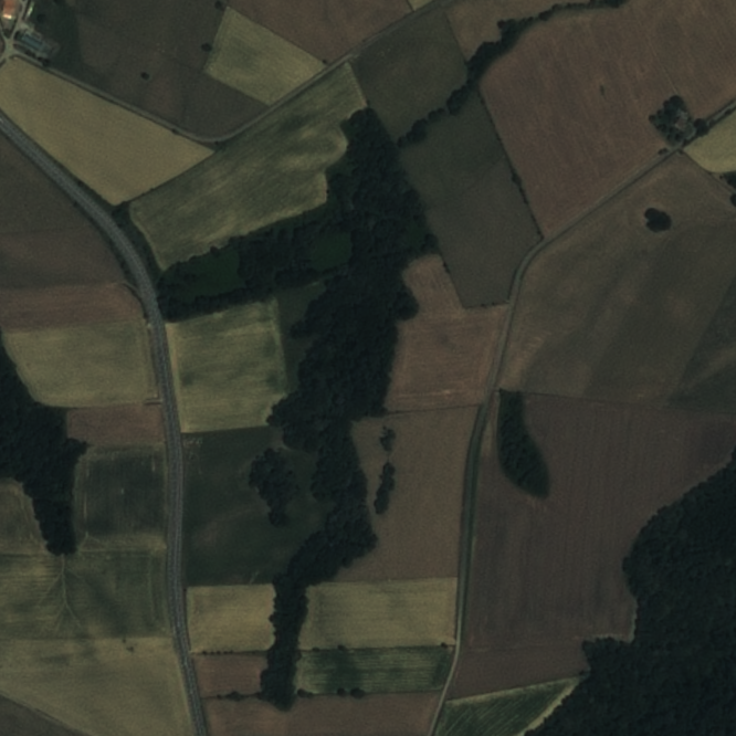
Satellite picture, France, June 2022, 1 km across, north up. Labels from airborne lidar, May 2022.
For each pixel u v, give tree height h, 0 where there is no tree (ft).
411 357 0
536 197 0
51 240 0
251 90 0
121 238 0
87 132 0
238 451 0
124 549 0
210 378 0
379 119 32
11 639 0
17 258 0
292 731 0
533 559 0
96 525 0
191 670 0
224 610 0
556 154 0
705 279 0
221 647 0
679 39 0
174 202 0
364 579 0
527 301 0
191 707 0
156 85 0
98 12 0
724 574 47
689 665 72
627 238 0
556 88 0
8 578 0
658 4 0
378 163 68
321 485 35
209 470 0
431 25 0
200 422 0
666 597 68
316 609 0
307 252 40
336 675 0
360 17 0
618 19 0
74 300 0
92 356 0
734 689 79
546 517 0
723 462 0
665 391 0
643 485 0
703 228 0
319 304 59
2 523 0
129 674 0
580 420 0
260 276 52
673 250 0
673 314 0
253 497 0
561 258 0
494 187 0
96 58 0
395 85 0
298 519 0
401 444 0
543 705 0
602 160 0
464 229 0
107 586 0
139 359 0
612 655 48
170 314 31
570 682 0
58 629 0
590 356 0
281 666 70
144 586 0
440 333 0
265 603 0
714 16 0
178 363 0
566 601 0
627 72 0
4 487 0
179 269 37
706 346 0
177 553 0
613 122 0
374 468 0
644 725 105
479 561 0
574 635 0
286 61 0
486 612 0
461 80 0
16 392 79
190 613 0
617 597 0
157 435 0
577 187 0
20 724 0
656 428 0
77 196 0
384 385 62
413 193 51
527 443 23
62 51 0
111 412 0
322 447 23
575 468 0
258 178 0
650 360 0
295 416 81
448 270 17
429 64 0
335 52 0
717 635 100
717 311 0
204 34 0
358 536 24
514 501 0
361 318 112
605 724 53
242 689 0
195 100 0
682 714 73
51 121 0
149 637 0
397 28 0
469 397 0
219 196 0
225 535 0
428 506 0
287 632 66
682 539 67
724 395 0
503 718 0
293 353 0
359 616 0
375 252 69
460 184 0
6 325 0
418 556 0
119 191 0
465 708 0
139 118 0
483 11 0
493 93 0
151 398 0
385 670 0
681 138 28
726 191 0
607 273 0
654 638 61
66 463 71
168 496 0
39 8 0
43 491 87
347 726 0
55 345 0
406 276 0
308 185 0
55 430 67
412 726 0
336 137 0
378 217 28
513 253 0
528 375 0
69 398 0
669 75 0
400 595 0
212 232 0
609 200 0
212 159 0
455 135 0
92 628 0
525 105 0
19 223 0
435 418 0
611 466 0
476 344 0
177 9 0
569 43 0
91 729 0
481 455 0
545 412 0
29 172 0
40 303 0
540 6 0
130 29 0
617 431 0
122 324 0
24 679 0
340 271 31
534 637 0
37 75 0
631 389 0
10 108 0
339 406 78
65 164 0
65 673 0
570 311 0
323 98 0
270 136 0
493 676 0
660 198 0
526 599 0
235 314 0
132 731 0
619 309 0
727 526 72
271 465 56
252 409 0
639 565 60
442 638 0
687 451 0
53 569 0
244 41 0
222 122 0
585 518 0
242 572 0
